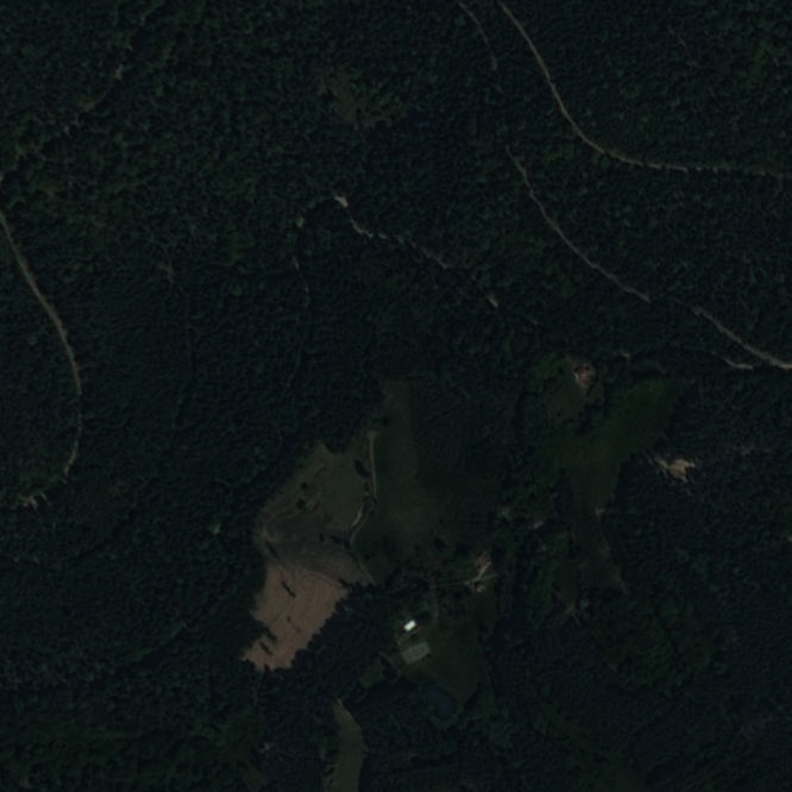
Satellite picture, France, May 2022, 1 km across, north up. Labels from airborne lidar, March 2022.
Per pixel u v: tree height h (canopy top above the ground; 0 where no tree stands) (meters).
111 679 35
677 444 34
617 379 25
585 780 23
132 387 12
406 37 27
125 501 11
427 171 14
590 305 21
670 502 29
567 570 0
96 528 15
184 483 23
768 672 30
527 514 13
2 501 14
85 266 12
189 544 33
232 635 16
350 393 18
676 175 20
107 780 13
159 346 18
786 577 29
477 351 26
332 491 0
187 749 25
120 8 28
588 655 32
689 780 16
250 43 22
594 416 18
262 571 13
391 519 0
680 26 23
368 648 24
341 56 17
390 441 0
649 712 32
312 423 31
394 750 29
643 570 28
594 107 14
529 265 9
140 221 22
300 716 32
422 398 6
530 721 30
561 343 31
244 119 25
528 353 29
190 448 26
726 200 27
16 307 11
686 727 31
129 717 36
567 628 0
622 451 0
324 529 0
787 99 32
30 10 29
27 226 28
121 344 13
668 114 25
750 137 22
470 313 21
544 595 22
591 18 18
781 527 23
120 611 26
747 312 22
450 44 20
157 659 32
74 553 14
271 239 19
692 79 27
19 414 28
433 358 11
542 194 11
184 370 22
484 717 18
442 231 10
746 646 27
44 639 18
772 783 17
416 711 30
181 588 36
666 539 36
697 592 28
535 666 32
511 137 29
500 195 28
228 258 19
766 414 22
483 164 24
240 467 34
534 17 22
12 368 30
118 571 21
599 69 20
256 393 35
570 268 17
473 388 28
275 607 0
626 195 12
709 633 32
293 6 13
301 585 0
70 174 26
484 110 31
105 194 22
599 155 15
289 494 0
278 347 31
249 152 16
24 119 14
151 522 27
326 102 21
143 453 20
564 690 28
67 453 15
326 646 31
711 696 24
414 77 16
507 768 33
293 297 26
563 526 19
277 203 8
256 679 13
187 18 26
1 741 14
